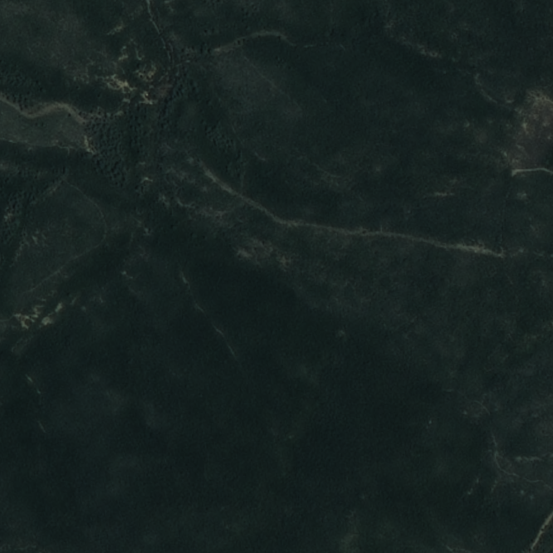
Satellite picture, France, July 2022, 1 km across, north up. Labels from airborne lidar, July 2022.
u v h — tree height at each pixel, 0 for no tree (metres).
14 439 6
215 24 6
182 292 6
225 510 5
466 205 6
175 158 5
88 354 6
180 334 7
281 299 7
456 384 6
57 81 6
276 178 8
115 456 6
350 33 8
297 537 7
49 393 6
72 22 0
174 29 6
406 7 7
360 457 5
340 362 6
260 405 6
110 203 6
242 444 7
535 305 7
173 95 13
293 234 5
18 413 7
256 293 6
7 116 0
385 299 6
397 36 6
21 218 7
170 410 6
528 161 0
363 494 5
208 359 5
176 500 6
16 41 6
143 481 6
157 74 7
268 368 6
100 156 16
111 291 6
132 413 7
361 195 6
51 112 0
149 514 6
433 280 6
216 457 7
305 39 7
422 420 6
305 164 6
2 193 10
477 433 6
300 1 6
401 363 6
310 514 5
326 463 6
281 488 7
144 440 7
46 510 6
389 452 5
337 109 7
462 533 6
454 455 6
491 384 6
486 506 6
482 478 6
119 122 6
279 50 6
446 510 6
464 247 0
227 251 6
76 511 7
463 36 6
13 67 6
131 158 7
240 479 7
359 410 6
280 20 6
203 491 7
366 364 7
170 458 6
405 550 6
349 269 7
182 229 7
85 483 7
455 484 6
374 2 6
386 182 6
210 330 7
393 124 5
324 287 5
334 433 6
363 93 5
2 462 6
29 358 6
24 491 5
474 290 5
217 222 6
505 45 6
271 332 7
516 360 6
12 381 7
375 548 6
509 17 7
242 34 6
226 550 6
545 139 0
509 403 6
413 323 6
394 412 6
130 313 7
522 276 5
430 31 6
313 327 6
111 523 7
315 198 6
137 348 7
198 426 6
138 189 14
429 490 5
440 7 5
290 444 6
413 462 6
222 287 6
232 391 5
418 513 6
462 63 9
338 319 5
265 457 6
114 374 7
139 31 7
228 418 6
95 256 5
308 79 7
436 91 6
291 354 5
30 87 7
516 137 0
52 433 5
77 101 7
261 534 7
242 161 10
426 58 8
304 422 6
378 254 7
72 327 7
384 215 6
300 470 6
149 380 6
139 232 6
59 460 7
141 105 6
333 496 6
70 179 6
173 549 6
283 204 6
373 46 6
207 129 13
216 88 7
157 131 7
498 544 6
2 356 8
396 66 6
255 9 8
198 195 6
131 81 8
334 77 6
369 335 8
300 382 6
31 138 0
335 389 6
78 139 0
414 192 6
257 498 6
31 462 6
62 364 6
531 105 0
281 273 6
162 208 6
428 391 8
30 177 7
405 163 6
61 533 6
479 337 7
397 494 6
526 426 6
